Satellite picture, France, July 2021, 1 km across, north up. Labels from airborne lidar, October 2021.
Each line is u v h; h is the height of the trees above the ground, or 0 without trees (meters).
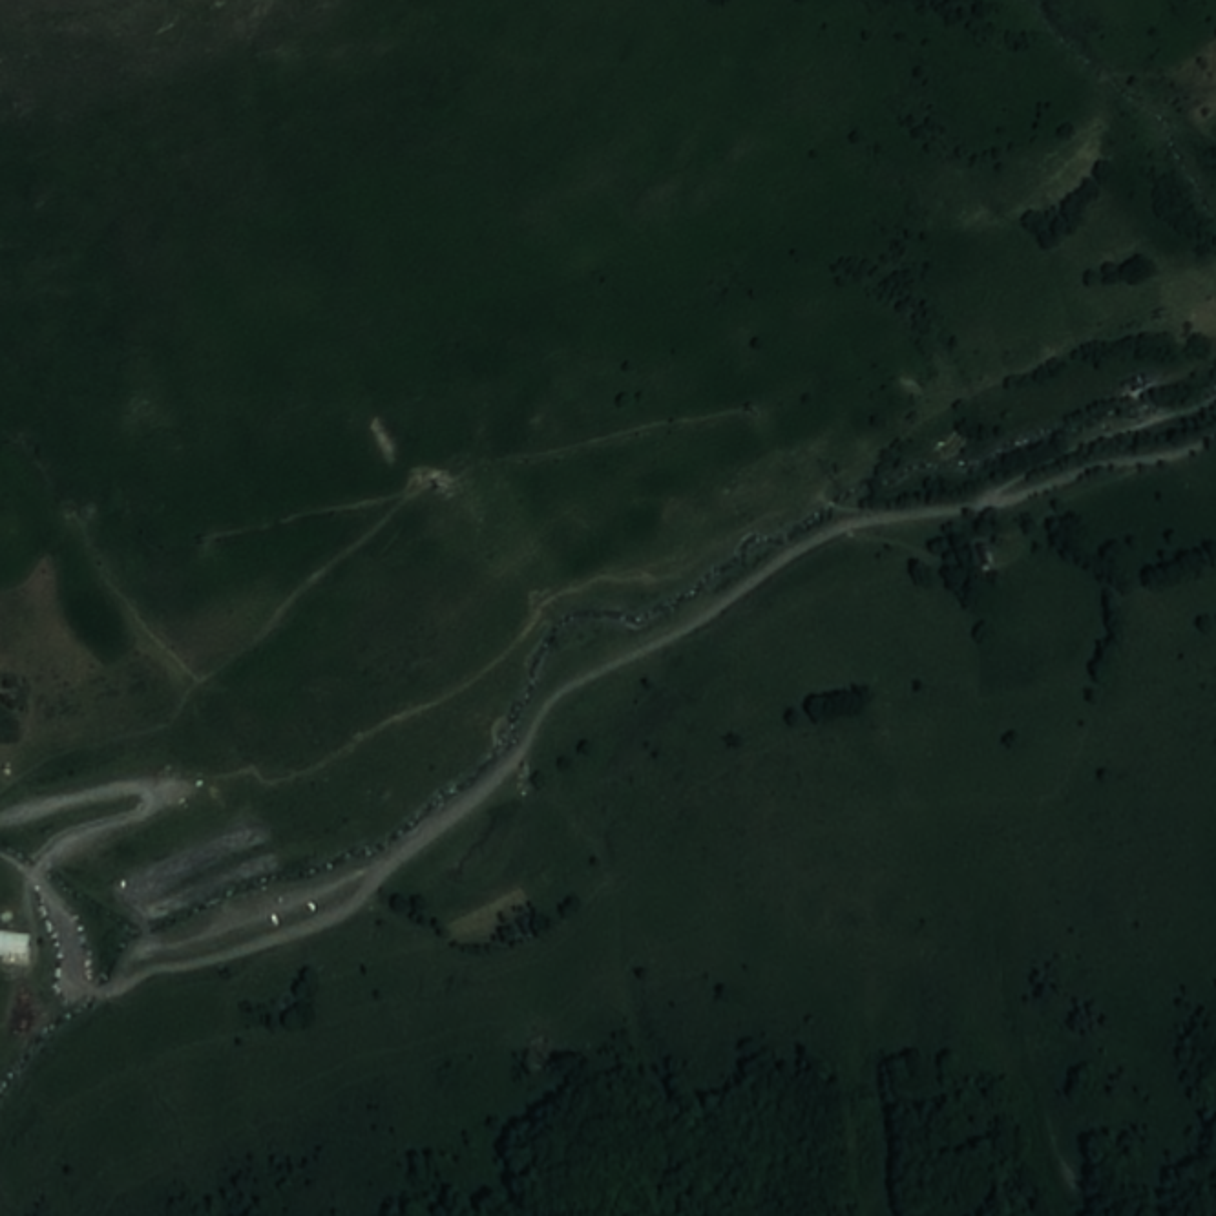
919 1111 8
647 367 0
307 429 0
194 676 0
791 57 0
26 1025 0
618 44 0
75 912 0
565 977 0
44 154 0
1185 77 0
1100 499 0
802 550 0
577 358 0
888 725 0
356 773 0
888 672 0
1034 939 0
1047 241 21
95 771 0
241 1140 0
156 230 0
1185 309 0
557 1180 14
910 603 0
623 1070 14
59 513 0
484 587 0
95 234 0
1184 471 0
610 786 0
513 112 0
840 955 0
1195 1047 12
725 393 0
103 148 0
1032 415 0
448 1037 0
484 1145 0
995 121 0
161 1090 0
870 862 0
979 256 0
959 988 0
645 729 0
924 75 18
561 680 0
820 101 0
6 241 0
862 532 0
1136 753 0
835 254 0
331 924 0
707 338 0
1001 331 0
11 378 0
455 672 0
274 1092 0
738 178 0
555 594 0
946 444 0
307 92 0
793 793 0
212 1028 0
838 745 0
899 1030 0
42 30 0
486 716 0
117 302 0
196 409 0
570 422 0
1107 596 10
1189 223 12
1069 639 0
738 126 0
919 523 0
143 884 0
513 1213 16
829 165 0
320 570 0
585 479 0
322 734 0
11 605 0
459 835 0
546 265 0
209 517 0
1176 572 20
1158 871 0
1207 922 0
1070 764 0
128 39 0
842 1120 19
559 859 0
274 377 0
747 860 0
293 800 0
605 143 0
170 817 0
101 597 0
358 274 0
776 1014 0
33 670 0
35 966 0
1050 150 0
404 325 0
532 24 0
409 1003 0
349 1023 0
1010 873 0
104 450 0
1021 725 0
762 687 0
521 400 0
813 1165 18
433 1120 0
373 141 0
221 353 0
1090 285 15
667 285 0
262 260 0
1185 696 0
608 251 0
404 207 0
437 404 0
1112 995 0
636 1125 23
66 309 0
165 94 0
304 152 0
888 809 0
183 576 0
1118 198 0
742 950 0
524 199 0
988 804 0
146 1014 0
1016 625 0
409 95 0
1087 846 0
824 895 0
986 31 9
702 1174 24
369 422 0
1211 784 0
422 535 0
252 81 0
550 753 0
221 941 0
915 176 0
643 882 0
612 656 0
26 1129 0
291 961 0
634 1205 20
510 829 0
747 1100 16
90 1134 0
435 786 0
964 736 0
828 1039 0
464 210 0
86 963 0
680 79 0
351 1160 0
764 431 0
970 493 8
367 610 0
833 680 0
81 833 0
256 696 0
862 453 0
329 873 0
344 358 0
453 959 0
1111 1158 12
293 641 0
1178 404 8
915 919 0
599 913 0
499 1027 0
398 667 0
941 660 0
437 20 0
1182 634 0
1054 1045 0
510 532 0
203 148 0
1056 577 0
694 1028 0
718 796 0
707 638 0
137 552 0
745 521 0
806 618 0
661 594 0
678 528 0
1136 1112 0
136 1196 0
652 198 0
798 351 0
